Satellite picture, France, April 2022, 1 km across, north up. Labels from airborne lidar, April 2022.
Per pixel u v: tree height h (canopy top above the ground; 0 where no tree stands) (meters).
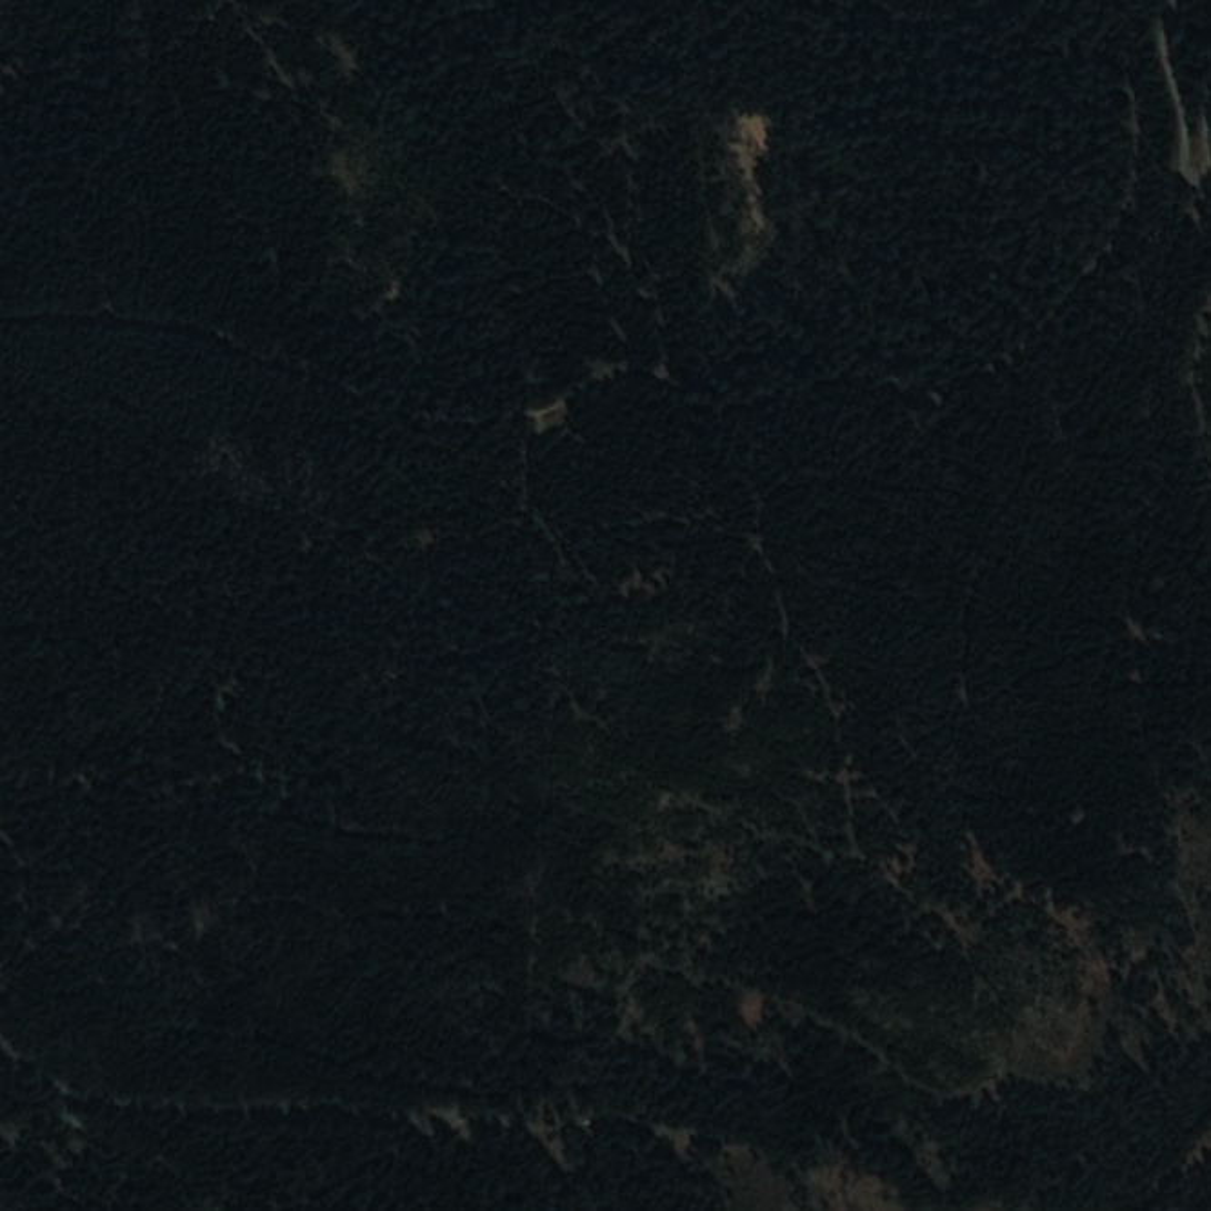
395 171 8
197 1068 24
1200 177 0
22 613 21
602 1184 27
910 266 10
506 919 16
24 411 20
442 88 11
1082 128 30
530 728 14
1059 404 15
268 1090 23
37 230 22
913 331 26
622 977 7
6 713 26
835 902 6
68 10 11
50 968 15
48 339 20
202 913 15
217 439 24
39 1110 26
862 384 14
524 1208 30
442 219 6
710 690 11
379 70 11
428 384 21
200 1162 19
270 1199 20
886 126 22
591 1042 19
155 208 19
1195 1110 28
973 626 14
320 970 18
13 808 22
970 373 11
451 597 27
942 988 7
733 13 37
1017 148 31
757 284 8
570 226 10
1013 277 9
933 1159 0
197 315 22
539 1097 22
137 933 18
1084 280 16
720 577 9
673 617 7
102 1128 17
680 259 12
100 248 20
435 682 17
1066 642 17
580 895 10
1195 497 24
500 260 9
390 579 14
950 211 11
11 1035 17
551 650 12
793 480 18
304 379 23
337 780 20
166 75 11
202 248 16
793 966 16
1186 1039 19
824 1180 0
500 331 25
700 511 12
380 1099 24
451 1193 30
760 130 0
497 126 13
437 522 10
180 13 13
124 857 17
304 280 20
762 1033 8
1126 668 24
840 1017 13
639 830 6
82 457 22
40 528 20
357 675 19
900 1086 6
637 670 7
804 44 26
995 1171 30
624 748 7
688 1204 28
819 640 9
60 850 11
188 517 20
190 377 19
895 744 15
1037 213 27
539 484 10
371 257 8
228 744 8
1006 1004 9
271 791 9
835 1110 14
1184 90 14
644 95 30
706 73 32
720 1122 25
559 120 13
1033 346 26
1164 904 9
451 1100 18
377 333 18
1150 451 25
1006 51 28
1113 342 27
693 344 11
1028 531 18
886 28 32
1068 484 16
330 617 16
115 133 16
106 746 17
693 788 7
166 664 21
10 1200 14
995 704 13
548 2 16
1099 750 14
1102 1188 27
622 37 9
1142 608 16
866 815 6
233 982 15
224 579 24
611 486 10
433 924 19
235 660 18
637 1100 25
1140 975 20
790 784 7
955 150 31
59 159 19
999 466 16
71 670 21
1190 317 25
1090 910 12
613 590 20
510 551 8
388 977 15
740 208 7
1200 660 20
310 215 15
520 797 12
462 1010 12
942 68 35
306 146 9
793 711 11
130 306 21
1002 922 11
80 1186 17
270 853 15
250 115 13
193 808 13
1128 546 24
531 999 9
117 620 22
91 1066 21
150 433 22
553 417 0
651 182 11
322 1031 21
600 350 16
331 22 8
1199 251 19
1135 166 11
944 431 17
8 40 12
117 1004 22
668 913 12
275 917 21
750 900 9
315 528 18
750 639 10
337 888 14
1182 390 21
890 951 10
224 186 16
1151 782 15
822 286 36
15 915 20
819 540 13
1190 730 21
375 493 11
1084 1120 27
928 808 15
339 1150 36
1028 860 20
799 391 20
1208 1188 28
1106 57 7
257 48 8
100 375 20
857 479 15
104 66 16
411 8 11
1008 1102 26
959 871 15
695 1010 9
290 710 15
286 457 26
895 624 14
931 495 20
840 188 38
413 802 16
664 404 14
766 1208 0
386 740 19
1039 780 19
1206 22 14
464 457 11
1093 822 11
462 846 14
